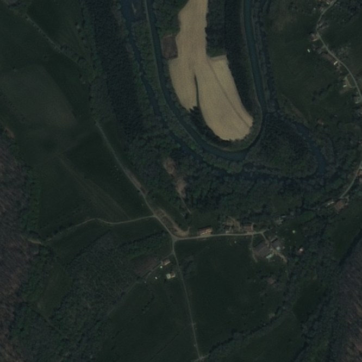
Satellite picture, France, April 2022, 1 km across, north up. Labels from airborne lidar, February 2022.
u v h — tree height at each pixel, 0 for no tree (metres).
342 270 20
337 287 25
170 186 32
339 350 31
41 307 0
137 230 0
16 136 0
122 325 0
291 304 13
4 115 0
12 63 0
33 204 24
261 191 29
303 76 0
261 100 0
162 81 0
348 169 20
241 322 0
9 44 0
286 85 0
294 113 0
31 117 0
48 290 0
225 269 0
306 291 0
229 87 0
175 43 0
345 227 0
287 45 0
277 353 0
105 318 19
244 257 0
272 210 18
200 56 0
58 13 0
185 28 0
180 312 0
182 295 0
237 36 30
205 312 0
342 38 0
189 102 0
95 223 0
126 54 25
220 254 0
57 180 0
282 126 32
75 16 0
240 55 30
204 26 0
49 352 26
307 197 24
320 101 15
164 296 0
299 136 19
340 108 0
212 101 0
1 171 30
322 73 0
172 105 0
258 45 16
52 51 0
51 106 0
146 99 21
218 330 0
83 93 0
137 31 23
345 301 30
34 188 23
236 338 22
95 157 0
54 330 15
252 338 8
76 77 0
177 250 0
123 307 0
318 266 22
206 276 0
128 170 0
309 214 19
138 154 28
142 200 0
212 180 22
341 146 12
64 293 0
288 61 0
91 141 0
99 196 0
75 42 0
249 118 0
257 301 0
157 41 0
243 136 0
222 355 21
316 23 0
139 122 25
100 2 29
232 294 0
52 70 0
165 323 0
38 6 0
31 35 0
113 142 0
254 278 0
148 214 0
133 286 0
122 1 0
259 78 0
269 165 24
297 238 0
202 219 0
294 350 0
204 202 16
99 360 0
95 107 9
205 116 0
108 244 16
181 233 0
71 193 0
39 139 0
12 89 0
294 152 18
